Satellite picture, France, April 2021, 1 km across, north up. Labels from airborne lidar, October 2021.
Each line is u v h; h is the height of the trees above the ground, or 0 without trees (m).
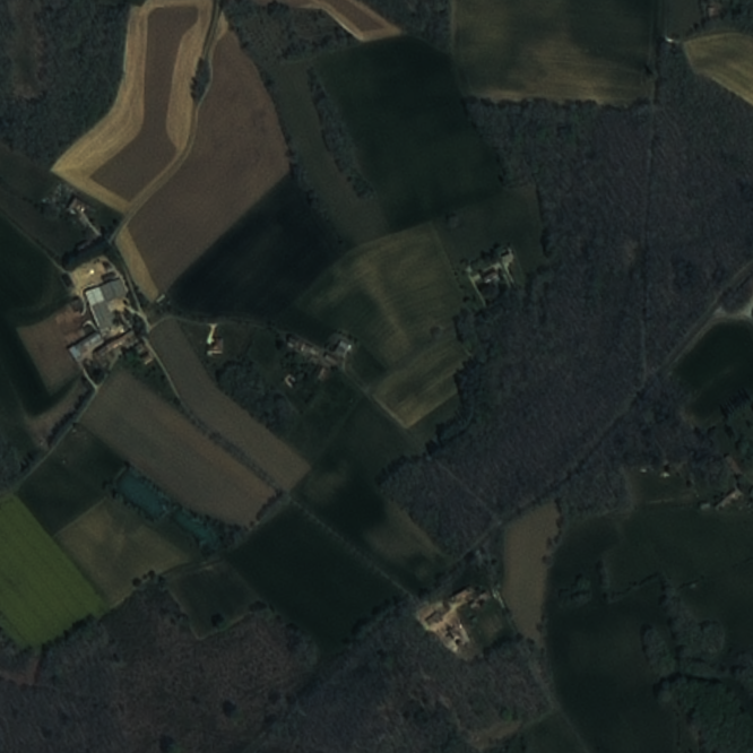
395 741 25
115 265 11
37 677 12
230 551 16
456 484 17
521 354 19
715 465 15
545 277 19
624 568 0
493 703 17
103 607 0
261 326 0
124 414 0
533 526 0
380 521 0
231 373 15
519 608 0
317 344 0
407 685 16
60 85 18
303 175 16
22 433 0
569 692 0
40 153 19
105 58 18
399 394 0
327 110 17
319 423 0
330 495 0
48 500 0
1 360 0
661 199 21
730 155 18
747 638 0
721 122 18
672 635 13
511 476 21
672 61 19
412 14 14
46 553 0
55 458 0
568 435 25
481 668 23
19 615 0
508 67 0
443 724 19
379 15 14
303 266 0
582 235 24
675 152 19
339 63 0
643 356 26
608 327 19
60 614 0
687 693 20
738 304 14
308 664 26
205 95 11
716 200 25
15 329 0
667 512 0
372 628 15
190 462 0
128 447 0
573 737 0
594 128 19
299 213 0
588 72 0
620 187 21
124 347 0
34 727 16
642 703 0
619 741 0
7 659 14
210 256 0
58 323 0
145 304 6
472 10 0
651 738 0
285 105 0
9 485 22
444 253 0
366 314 0
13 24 18
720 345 0
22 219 0
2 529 0
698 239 22
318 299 0
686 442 24
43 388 0
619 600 6
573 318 24
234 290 0
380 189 0
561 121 22
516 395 20
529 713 20
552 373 20
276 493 11
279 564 0
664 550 0
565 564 0
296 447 0
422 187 0
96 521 0
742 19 20
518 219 0
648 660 15
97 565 0
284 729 21
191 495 0
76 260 0
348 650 15
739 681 21
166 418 0
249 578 0
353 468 0
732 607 0
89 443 0
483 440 17
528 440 18
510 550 0
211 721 6
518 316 18
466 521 18
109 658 11
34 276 0
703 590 0
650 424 24
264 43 8
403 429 0
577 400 22
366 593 0
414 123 0
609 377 22
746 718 18
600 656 0
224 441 15
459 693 24
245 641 7
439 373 0
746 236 24
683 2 0
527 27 0
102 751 11
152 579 11
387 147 0
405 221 0
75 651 20
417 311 0
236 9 21
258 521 9
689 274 25
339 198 0
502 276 6
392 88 0
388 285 0
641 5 0
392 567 0
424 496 21
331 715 23
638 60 0
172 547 0
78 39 18
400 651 16
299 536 0
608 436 16
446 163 0
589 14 0
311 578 0
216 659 6
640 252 8
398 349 0
